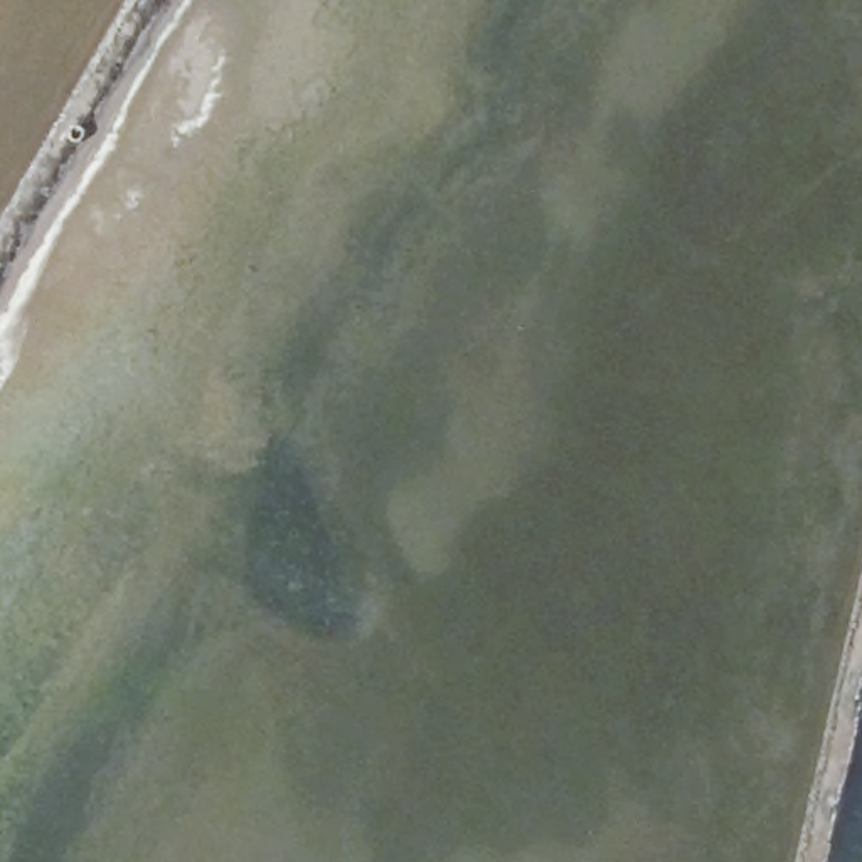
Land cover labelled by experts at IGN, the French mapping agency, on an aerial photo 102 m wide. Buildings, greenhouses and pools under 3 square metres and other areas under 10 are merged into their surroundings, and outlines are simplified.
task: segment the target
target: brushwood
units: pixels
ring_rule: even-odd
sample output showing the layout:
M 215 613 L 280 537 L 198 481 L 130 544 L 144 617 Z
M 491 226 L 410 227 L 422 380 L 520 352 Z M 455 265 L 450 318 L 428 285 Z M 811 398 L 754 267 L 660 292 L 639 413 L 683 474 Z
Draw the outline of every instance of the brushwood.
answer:
M 67 175 L 71 162 L 81 168 L 88 165 L 98 145 L 98 128 L 111 118 L 111 94 L 152 47 L 152 37 L 172 0 L 148 0 L 138 7 L 131 34 L 114 47 L 114 57 L 88 104 L 88 114 L 71 131 L 67 145 L 51 158 L 47 175 L 37 178 L 30 202 L 20 209 L 20 219 L 27 226 L 37 226 L 47 202 L 57 199 L 57 185 Z

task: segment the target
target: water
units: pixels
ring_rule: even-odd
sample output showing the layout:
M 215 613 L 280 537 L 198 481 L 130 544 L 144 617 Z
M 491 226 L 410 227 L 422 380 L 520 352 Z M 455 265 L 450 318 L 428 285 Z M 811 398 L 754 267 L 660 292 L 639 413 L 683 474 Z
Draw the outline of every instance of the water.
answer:
M 828 862 L 862 862 L 862 714 L 852 764 L 838 801 Z
M 226 51 L 226 67 L 222 84 L 212 81 L 205 88 L 209 94 L 202 94 L 199 101 L 199 111 L 192 118 L 182 118 L 189 77 L 168 74 L 168 61 L 182 47 L 189 27 L 199 17 L 209 17 L 202 40 L 212 51 Z M 182 13 L 172 37 L 162 44 L 141 91 L 128 108 L 114 152 L 108 155 L 108 162 L 88 185 L 84 199 L 64 222 L 37 276 L 37 286 L 17 317 L 24 323 L 24 340 L 13 347 L 17 364 L 0 391 L 0 862 L 795 862 L 798 832 L 805 825 L 808 791 L 815 781 L 825 717 L 838 680 L 842 647 L 862 569 L 862 0 L 195 0 Z
M 121 0 L 0 0 L 0 209 L 13 195 L 34 152 L 47 138 L 61 108 L 67 104 L 77 77 L 84 74 Z

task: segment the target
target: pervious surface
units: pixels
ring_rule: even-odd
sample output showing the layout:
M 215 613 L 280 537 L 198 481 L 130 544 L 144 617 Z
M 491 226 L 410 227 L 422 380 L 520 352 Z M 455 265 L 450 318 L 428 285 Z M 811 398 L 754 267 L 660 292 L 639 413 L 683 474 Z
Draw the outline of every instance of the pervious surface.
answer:
M 182 47 L 168 61 L 168 74 L 189 77 L 182 118 L 192 118 L 199 111 L 199 101 L 202 94 L 209 94 L 205 88 L 212 81 L 222 84 L 226 67 L 226 51 L 212 51 L 202 40 L 209 17 L 199 17 L 189 27 Z
M 838 680 L 825 717 L 815 781 L 808 791 L 805 825 L 798 832 L 795 862 L 828 862 L 838 801 L 852 764 L 862 714 L 862 569 L 842 647 Z
M 152 37 L 152 47 L 111 94 L 111 118 L 98 128 L 98 145 L 88 165 L 81 168 L 71 162 L 67 175 L 57 185 L 57 199 L 47 202 L 37 226 L 27 226 L 20 219 L 20 209 L 30 202 L 37 178 L 47 175 L 51 158 L 67 145 L 71 131 L 88 114 L 88 104 L 114 57 L 114 47 L 131 34 L 138 7 L 148 0 L 121 0 L 84 74 L 77 77 L 67 104 L 61 108 L 47 138 L 34 152 L 13 195 L 0 209 L 0 391 L 17 364 L 13 347 L 24 340 L 24 323 L 17 317 L 37 286 L 37 276 L 64 222 L 84 199 L 88 185 L 108 162 L 108 155 L 114 152 L 128 108 L 141 91 L 162 44 L 172 37 L 182 13 L 195 0 L 172 0 Z

